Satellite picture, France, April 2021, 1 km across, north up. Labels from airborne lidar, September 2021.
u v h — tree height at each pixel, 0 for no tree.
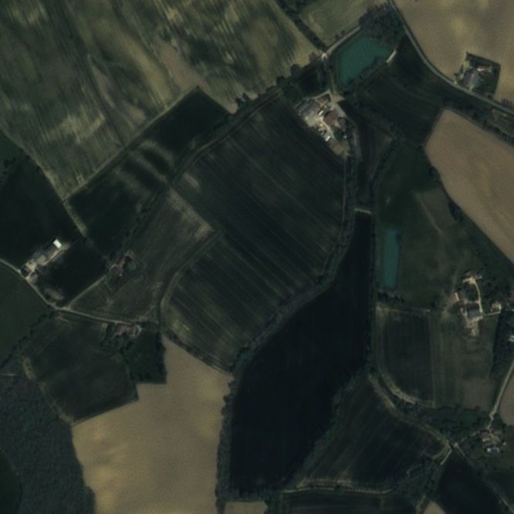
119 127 0
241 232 0
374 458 0
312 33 8
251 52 0
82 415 0
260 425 0
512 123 0
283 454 0
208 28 0
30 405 12
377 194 14
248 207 0
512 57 0
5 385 7
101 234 0
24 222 0
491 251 0
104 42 0
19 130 0
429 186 0
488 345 0
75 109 0
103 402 0
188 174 0
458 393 0
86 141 0
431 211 0
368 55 0
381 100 0
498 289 8
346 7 0
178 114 0
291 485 14
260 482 0
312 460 18
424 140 0
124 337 12
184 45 0
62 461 13
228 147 0
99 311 0
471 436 6
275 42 0
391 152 10
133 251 0
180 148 0
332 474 0
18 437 19
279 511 17
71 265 0
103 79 0
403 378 0
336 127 9
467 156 0
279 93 0
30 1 0
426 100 0
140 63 0
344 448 0
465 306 7
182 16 0
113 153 0
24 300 0
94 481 0
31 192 0
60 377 0
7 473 0
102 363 0
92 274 0
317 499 0
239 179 0
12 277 0
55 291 0
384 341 0
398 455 0
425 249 0
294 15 14
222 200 0
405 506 0
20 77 0
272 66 0
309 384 0
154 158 0
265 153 0
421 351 0
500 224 0
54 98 0
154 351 0
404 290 0
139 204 0
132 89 0
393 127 10
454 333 0
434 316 0
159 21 0
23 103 0
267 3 0
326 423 0
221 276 0
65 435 19
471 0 0
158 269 0
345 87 0
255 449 0
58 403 0
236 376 17
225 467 17
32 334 10
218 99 0
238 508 0
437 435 0
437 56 0
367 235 0
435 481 18
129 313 0
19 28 0
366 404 0
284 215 0
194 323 0
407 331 0
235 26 0
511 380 0
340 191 0
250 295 0
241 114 15
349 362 0
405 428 0
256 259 0
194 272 0
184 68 0
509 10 0
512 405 0
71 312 0
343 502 0
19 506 10
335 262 16
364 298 0
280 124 0
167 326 0
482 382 0
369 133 0
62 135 0
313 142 0
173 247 0
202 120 0
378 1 0
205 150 0
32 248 0
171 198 0
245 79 0
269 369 0
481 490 0
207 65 0
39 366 0
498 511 0
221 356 0
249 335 0
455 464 0
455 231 0
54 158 0
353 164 16
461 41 0
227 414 14
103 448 0
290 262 0
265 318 0
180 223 0
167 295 0
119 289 0
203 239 0
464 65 0
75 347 0
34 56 0
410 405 6
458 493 0
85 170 0
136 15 0
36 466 15
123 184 0
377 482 0
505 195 0
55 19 0
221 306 0
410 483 20
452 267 0
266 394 0
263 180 0
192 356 16
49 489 15
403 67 0
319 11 0
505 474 0
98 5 0
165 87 0
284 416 0
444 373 0
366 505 0
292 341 0
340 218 0
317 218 0
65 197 0
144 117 0
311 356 0
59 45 0
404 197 0
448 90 0
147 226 0
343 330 0
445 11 0
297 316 0
